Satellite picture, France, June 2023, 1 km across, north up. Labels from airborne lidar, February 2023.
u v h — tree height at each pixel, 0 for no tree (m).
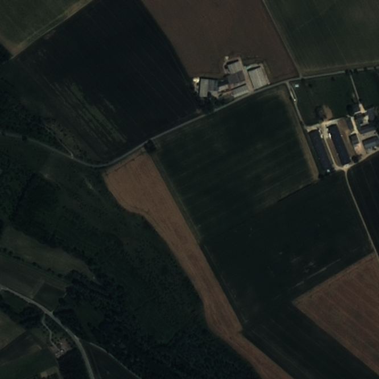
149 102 0
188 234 0
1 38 0
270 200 0
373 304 0
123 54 0
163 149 0
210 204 0
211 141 0
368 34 0
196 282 0
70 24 0
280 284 0
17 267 0
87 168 0
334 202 0
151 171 0
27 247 0
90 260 9
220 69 0
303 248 0
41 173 0
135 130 0
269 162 0
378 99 0
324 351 0
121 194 0
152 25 0
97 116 0
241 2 0
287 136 0
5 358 0
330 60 0
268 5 0
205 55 0
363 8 0
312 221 0
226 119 0
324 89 0
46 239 24
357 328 0
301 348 0
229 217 0
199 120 0
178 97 0
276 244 0
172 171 0
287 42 0
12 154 0
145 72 0
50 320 7
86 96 0
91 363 0
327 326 0
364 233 0
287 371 0
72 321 16
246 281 0
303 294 0
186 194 0
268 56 0
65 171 0
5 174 8
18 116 7
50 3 0
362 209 0
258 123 0
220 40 0
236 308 0
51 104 0
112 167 0
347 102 0
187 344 15
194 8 0
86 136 0
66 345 0
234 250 0
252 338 0
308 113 0
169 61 0
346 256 0
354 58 0
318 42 0
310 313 0
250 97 0
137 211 0
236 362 6
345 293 0
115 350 15
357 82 0
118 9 0
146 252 0
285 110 0
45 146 0
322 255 0
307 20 0
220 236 0
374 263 0
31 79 0
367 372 0
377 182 0
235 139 0
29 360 0
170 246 0
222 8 0
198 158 0
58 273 0
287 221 0
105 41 0
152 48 0
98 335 16
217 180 0
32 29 0
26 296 0
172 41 0
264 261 0
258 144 0
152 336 10
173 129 0
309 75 0
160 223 0
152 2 0
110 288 21
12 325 0
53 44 0
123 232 0
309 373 0
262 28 0
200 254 0
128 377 0
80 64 0
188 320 0
